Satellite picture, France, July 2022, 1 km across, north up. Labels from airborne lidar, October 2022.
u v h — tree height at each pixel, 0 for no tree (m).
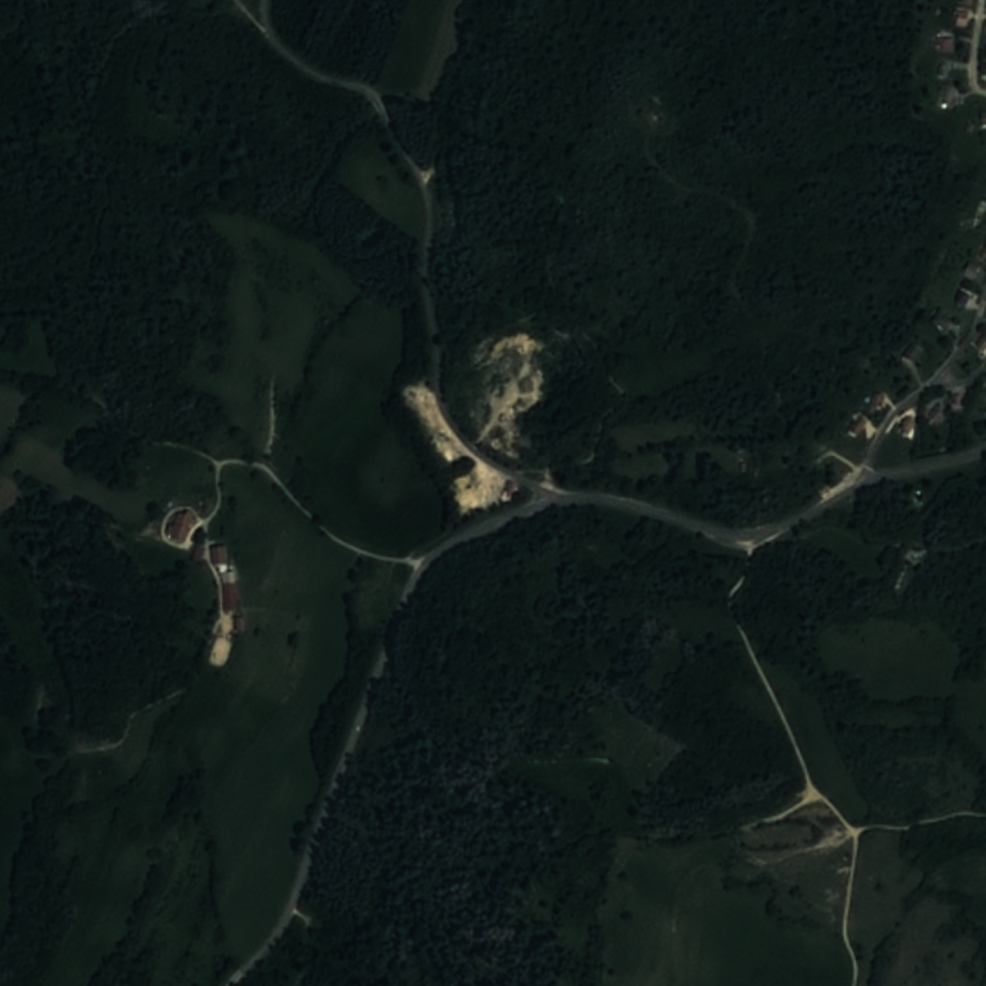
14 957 15
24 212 8
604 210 6
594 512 14
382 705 21
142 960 10
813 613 6
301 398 14
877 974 6
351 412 0
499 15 7
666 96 6
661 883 0
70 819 12
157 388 7
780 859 0
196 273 16
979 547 11
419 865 17
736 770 8
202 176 11
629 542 17
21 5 15
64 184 16
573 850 10
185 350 11
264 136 16
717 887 0
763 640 8
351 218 25
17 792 0
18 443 8
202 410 13
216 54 7
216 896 8
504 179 11
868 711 8
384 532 0
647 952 0
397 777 31
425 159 25
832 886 0
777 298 17
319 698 0
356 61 10
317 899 24
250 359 0
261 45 8
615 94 7
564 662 14
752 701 0
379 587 0
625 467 0
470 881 25
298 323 0
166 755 0
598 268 11
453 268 14
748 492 11
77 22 12
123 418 20
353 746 0
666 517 0
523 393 0
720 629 0
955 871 0
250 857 0
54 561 19
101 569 20
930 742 6
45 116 6
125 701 17
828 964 0
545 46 7
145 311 17
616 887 0
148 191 7
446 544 0
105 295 24
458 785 9
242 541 0
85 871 0
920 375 0
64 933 15
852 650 0
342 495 0
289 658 0
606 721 0
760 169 6
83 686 16
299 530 0
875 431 0
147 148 10
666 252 13
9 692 16
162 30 6
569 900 11
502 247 16
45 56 13
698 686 11
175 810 15
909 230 9
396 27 23
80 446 12
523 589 7
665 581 8
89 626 26
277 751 0
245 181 9
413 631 25
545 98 7
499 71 6
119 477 22
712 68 6
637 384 0
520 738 9
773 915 12
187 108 9
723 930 0
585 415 11
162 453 0
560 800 7
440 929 23
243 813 0
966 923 8
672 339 11
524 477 0
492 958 26
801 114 7
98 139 9
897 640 0
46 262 17
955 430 7
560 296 8
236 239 0
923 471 0
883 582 7
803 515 0
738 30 10
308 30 22
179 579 16
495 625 7
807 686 6
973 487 6
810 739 0
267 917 0
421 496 0
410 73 0
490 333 9
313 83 10
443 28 0
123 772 0
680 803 8
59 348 16
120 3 8
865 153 7
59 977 0
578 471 8
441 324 8
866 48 12
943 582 11
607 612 19
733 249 8
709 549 0
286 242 0
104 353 17
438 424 0
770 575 14
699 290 10
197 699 0
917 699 7
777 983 0
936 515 17
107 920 0
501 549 7
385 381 0
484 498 0
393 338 0
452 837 10
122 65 12
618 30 8
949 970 0
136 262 10
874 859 0
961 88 12
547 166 8
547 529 13
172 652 16
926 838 7
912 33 7
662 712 16
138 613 20
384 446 0
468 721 13
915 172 19
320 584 0
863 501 14
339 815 23
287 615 0
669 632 18
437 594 13
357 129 16
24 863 21
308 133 9
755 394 8
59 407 0
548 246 10
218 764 0
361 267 24
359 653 12
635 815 24
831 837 0
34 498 7
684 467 21
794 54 5
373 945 28
